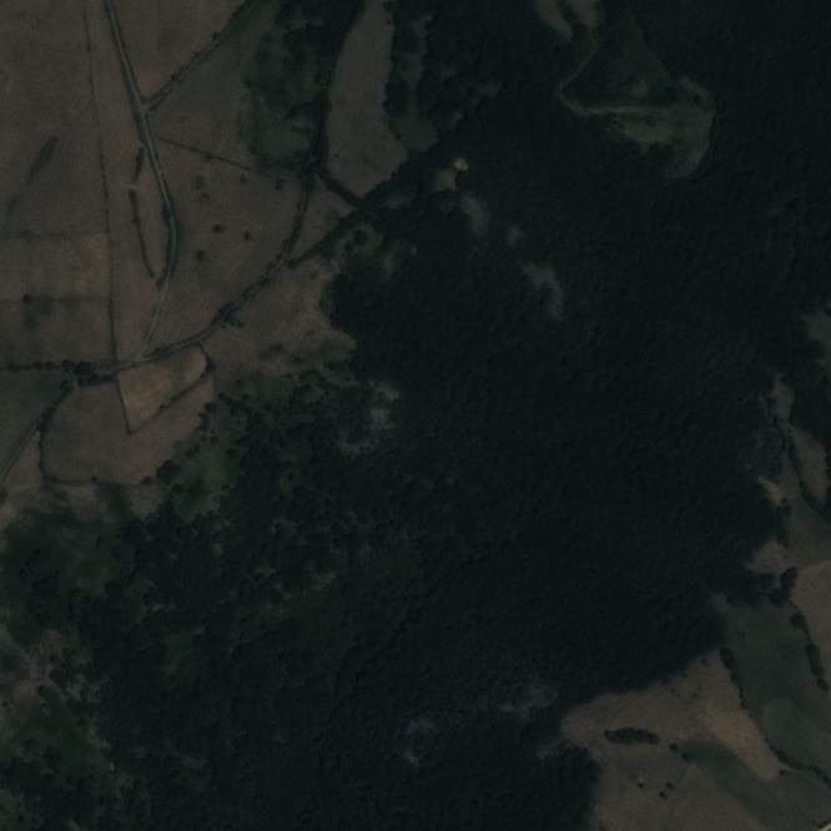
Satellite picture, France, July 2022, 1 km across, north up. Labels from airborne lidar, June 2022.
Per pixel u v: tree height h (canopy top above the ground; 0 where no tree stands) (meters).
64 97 0
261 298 0
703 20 17
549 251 14
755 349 9
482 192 12
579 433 21
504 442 22
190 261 0
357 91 0
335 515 11
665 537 21
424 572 16
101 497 0
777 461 9
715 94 8
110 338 0
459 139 18
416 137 0
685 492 25
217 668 20
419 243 13
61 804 18
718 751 0
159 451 0
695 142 0
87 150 0
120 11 0
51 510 0
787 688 0
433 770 13
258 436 16
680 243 16
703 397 12
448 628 18
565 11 8
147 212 0
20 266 0
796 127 19
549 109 24
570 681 19
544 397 26
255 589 17
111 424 0
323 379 10
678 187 20
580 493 27
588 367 17
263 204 0
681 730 0
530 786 23
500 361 24
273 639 18
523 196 19
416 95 9
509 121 21
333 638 8
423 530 14
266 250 0
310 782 26
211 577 16
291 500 8
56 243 0
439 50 27
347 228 9
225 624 14
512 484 16
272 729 17
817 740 0
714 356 11
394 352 22
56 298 0
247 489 11
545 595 27
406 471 18
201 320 0
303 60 7
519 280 7
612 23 15
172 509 10
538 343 15
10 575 0
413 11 26
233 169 0
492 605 23
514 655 10
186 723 26
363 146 0
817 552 0
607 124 7
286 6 9
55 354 0
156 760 18
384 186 11
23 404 0
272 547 15
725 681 0
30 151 0
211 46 0
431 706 15
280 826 25
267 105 0
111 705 14
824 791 0
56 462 0
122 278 0
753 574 12
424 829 36
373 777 30
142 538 13
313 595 7
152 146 0
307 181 7
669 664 15
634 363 18
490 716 11
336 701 26
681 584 19
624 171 25
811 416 17
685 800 0
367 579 8
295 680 15
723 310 20
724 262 17
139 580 15
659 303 19
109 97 0
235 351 0
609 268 23
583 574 26
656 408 24
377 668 26
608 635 23
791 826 0
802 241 18
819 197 16
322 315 0
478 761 30
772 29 20
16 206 0
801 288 21
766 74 22
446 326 18
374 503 20
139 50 0
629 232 19
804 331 18
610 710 0
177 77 7
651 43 25
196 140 0
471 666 12
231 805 19
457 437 17
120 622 19
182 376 0
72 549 0
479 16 18
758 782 0
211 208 0
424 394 18
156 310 0
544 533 25
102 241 0
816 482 0
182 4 0
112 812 14
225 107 0
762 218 16
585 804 14
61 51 0
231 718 8
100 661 14
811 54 22
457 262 19
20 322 0
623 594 26
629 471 23
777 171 21
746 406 12
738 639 0
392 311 18
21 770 16
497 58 15
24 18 0
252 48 0
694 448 17
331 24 15
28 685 0
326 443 16
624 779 0
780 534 6
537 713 10
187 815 20
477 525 20
